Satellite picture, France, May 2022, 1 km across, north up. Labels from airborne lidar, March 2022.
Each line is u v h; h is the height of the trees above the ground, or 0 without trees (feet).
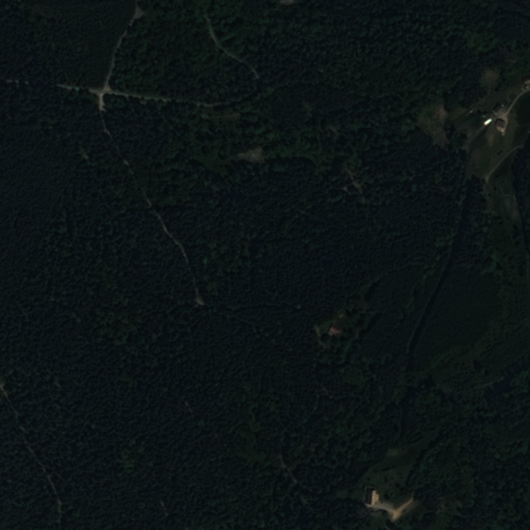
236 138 79
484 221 66
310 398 92
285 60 90
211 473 79
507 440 77
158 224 106
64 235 75
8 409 72
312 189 95
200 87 61
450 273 68
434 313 59
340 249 88
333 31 68
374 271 72
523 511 107
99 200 94
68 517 75
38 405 80
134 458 70
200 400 86
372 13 19
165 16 43
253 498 72
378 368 93
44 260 73
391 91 52
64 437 47
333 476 97
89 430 51
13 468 76
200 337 70
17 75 89
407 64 69
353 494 29
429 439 0
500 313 38
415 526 68
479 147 0
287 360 99
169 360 78
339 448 91
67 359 85
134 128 106
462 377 0
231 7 101
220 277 103
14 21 88
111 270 84
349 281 91
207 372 62
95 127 103
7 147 66
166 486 75
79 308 101
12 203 73
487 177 0
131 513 81
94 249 90
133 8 28
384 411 70
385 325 60
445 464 59
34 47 65
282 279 90
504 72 65
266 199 90
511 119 0
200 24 70
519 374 80
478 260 95
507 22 101
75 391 74
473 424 62
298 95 72
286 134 58
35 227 80
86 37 24
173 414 66
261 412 101
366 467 75
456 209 75
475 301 48
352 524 64
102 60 25
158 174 54
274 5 27
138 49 50
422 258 99
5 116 84
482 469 73
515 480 108
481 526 88
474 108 0
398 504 0
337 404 95
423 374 69
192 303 73
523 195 45
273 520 64
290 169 96
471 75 107
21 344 67
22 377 85
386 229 59
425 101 105
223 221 89
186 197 92
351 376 124
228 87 87
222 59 57
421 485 39
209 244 99
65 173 71
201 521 74
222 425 90
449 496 93
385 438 57
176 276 95
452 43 100
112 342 75
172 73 40
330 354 56
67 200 52
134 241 92
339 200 80
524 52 50
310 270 81
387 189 94
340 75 46
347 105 59
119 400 92
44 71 77
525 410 75
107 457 67
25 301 66
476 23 49
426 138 83
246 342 65
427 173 110
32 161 82
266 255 79
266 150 64
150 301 105
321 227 76
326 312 94
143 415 78
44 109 105
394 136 105
